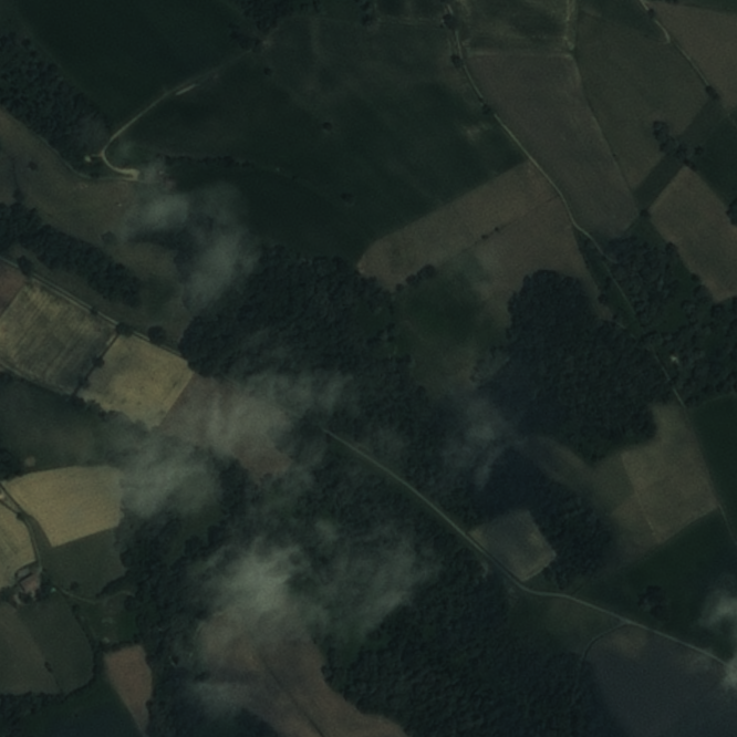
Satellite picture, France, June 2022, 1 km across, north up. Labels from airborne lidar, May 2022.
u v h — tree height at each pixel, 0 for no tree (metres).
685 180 0
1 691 0
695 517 0
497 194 0
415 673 6
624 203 0
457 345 0
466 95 0
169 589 21
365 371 13
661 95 0
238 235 9
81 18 0
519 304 14
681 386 14
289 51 0
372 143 0
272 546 16
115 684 0
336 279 23
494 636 19
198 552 19
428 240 0
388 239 0
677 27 0
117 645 7
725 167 0
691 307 15
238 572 11
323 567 19
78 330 0
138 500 22
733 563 0
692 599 0
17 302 0
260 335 22
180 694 11
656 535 0
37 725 0
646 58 0
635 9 0
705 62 0
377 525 12
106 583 0
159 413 0
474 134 0
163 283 0
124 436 0
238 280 30
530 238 0
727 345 7
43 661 0
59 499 0
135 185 0
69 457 0
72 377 0
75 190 0
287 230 0
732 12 0
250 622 0
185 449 23
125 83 0
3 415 0
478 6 0
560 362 17
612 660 0
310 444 17
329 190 0
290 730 0
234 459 9
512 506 16
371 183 0
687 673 0
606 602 0
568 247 0
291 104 0
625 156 0
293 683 0
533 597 0
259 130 0
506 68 0
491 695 26
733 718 0
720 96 11
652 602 19
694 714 0
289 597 0
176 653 11
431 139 0
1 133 0
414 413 23
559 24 0
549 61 0
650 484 0
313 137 0
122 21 0
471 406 0
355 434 11
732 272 0
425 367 0
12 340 0
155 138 0
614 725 10
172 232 21
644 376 14
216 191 0
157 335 19
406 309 0
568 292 19
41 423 0
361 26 0
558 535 7
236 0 8
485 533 0
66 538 0
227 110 0
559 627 0
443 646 24
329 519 0
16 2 0
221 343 21
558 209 0
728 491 0
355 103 0
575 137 0
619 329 11
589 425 9
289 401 13
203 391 0
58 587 6
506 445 14
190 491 0
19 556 0
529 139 0
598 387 17
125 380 0
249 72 0
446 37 0
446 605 19
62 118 22
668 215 0
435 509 0
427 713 10
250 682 0
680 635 0
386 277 0
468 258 0
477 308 0
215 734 0
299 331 17
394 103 0
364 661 17
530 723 7
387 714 6
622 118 0
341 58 0
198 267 21
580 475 0
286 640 0
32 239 21
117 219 0
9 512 0
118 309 0
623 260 12
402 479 0
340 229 0
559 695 21
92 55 0
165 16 0
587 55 0
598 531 17
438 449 22
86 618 0
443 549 13
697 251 0
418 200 0
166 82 0
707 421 0
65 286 0
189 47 0
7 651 0
